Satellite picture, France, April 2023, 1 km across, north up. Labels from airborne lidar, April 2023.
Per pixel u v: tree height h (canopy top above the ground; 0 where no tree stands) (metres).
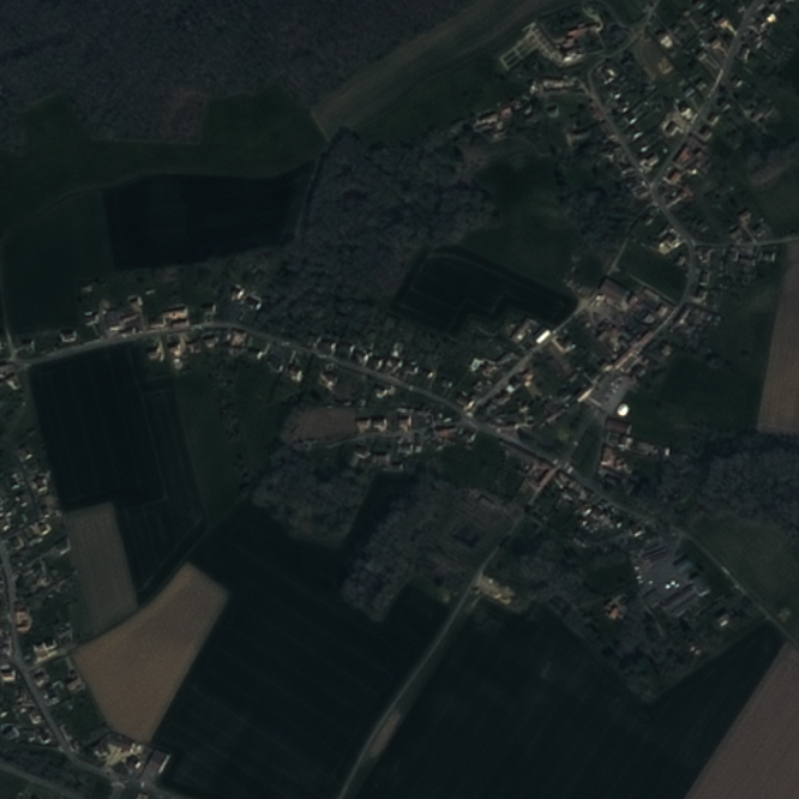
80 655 0
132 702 0
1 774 0
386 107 0
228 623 0
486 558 0
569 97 0
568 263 0
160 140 13
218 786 0
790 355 0
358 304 8
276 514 13
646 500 33
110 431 0
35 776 6
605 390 0
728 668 0
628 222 6
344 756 0
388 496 0
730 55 0
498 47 0
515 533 0
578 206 15
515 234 0
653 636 20
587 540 18
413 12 23
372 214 23
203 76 22
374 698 0
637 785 0
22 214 0
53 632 0
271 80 19
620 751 0
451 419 0
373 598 9
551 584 25
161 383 0
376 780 0
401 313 0
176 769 0
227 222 0
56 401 0
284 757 0
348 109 0
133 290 0
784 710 0
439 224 26
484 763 0
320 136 0
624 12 0
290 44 13
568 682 0
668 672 21
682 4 0
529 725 0
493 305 0
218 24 25
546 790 0
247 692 0
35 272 0
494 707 0
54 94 14
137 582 0
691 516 0
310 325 7
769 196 0
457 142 9
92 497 0
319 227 19
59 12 23
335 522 14
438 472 0
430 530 7
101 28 28
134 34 19
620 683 0
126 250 0
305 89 20
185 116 6
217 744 0
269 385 0
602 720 0
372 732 0
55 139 0
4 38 27
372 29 20
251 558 0
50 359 0
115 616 0
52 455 0
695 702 0
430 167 27
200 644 0
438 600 0
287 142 0
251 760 0
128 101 23
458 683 0
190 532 0
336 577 0
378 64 14
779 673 0
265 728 0
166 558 0
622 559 19
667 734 0
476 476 0
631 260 0
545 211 0
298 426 25
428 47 0
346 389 16
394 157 20
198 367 0
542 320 0
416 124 0
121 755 0
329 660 0
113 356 0
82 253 0
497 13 0
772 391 0
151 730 0
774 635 0
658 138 7
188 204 0
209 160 0
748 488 31
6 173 0
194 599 0
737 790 0
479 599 0
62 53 24
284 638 0
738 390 0
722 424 0
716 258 7
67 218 0
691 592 0
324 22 24
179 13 25
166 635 0
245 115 0
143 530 0
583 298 0
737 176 0
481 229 27
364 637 0
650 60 0
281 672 0
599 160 7
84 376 0
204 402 0
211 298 0
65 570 0
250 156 0
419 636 0
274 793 0
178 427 0
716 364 10
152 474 0
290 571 0
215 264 20
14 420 9
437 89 0
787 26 15
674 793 0
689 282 0
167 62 20
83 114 11
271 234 0
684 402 0
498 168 0
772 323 0
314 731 0
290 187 0
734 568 0
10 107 18
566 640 0
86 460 0
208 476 0
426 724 0
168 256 0
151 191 0
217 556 0
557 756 0
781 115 0
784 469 34
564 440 0
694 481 18
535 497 0
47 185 0
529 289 0
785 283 0
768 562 0
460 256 0
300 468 22
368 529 0
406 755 0
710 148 0
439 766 0
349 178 17
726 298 0
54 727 0
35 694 0
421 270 0
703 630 9
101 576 0
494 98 0
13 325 0
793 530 19
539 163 0
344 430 0
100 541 0
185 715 0
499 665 0
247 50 22
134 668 0
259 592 0
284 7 23
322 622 0
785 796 0
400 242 29
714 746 0
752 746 0
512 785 0
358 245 23
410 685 0
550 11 0
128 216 0
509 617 0
